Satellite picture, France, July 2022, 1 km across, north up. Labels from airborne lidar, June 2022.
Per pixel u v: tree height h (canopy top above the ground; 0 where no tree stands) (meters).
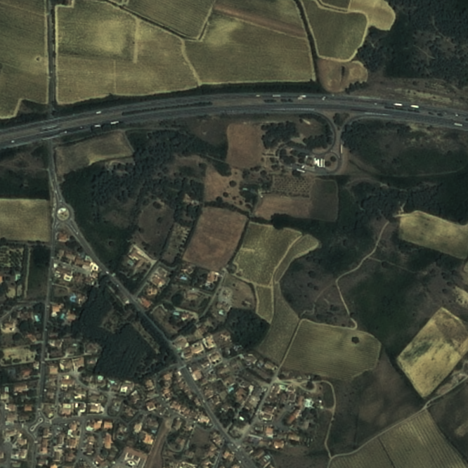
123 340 18
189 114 0
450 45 0
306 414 8
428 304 0
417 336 0
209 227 0
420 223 0
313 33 0
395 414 0
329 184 0
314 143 9
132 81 0
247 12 0
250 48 0
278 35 0
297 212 0
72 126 0
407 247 9
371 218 10
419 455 0
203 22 0
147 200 8
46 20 0
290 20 0
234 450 0
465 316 0
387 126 9
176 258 10
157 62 0
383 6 0
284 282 0
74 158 0
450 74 9
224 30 0
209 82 0
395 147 0
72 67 0
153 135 10
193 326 13
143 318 16
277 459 0
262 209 0
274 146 12
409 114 0
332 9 0
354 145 12
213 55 0
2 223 0
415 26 8
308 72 0
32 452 0
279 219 15
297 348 0
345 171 0
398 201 14
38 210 0
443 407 0
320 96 0
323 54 0
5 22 0
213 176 0
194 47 0
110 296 17
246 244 0
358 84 11
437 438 0
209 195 0
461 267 0
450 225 0
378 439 0
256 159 0
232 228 0
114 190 13
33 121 8
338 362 0
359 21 0
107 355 14
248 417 7
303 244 0
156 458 0
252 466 0
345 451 0
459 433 0
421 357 0
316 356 0
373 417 0
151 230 0
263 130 7
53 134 0
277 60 0
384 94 0
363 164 0
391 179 7
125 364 17
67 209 0
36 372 13
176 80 0
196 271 6
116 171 11
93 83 0
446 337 0
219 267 0
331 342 0
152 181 12
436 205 11
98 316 18
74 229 0
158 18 0
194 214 12
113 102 8
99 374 15
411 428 0
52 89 0
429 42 9
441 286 0
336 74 0
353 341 11
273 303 0
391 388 0
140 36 0
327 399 0
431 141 0
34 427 0
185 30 0
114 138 0
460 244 0
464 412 0
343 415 0
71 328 13
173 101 0
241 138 0
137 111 8
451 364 0
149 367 18
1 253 6
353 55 0
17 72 0
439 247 0
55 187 0
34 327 12
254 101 0
